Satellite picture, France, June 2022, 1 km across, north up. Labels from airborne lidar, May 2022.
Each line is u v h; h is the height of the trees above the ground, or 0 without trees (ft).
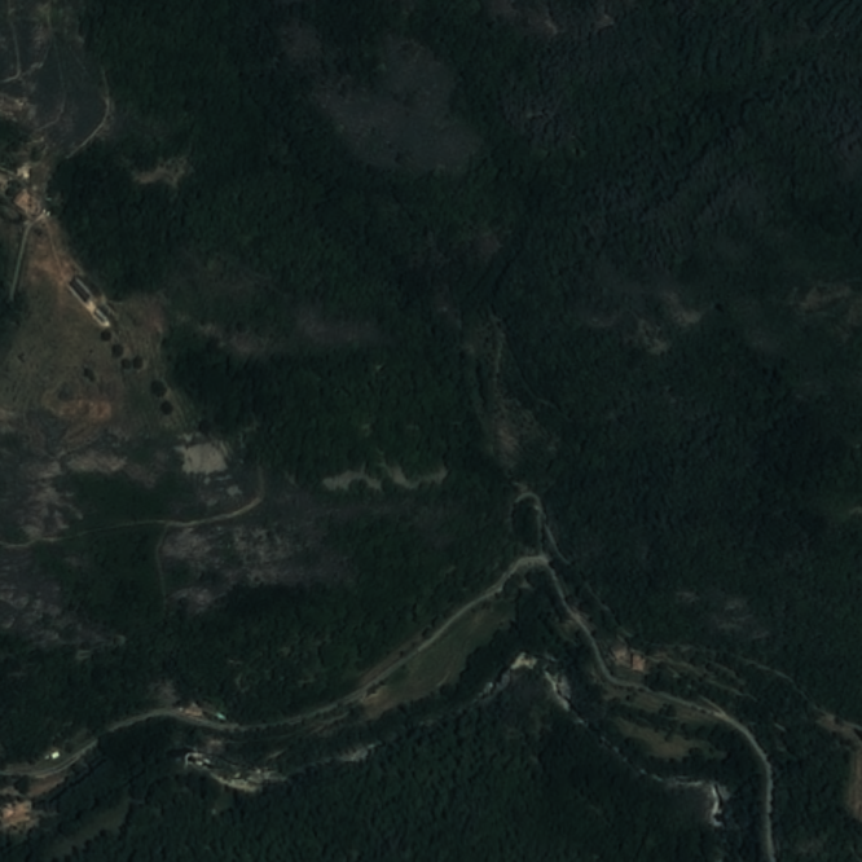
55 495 0
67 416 0
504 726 22
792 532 50
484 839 48
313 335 0
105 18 44
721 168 50
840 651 42
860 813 0
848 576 29
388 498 28
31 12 0
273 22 47
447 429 33
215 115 52
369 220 41
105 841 55
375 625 44
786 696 21
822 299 0
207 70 50
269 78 45
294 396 51
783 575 34
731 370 27
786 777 40
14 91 0
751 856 55
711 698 40
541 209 66
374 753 30
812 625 32
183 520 0
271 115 78
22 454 0
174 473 0
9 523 0
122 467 0
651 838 41
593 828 25
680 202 63
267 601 61
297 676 60
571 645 50
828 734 32
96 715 46
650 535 25
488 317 22
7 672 61
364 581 39
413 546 35
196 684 49
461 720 60
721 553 38
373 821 26
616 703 39
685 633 47
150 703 20
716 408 35
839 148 45
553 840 51
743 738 38
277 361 50
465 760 40
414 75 0
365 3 49
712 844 70
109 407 0
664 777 60
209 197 52
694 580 39
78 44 0
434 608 53
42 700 34
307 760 49
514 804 44
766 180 38
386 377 42
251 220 51
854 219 39
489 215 41
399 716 32
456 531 31
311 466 32
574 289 24
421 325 42
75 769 46
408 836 37
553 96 64
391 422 43
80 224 29
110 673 53
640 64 47
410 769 34
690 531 42
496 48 38
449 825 41
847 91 40
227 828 52
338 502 28
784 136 72
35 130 0
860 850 23
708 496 41
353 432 43
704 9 42
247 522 0
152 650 34
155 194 59
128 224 33
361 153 0
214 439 0
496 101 55
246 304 0
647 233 42
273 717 46
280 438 32
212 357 20
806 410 42
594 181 37
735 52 76
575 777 64
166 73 42
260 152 20
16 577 0
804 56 32
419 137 0
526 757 52
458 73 27
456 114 37
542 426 24
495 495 33
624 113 69
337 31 31
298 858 39
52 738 35
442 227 35
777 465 55
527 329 32
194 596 0
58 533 0
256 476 0
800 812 33
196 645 39
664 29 63
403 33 36
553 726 41
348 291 38
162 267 28
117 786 73
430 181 35
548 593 51
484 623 0
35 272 0
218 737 27
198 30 47
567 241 32
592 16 46
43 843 62
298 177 47
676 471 47
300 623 35
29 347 0
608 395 22
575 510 36
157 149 31
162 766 68
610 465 54
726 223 25
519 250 55
